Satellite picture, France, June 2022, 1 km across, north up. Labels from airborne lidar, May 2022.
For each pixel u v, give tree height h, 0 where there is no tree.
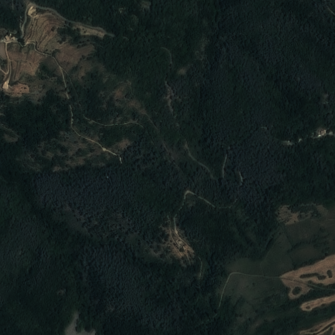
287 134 13
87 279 10
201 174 14
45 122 7
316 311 6
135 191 18
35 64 0
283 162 17
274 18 17
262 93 12
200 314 15
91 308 13
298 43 15
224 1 21
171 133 11
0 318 16
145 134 13
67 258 14
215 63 17
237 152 17
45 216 19
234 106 20
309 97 16
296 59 11
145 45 15
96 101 7
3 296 14
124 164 10
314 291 7
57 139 11
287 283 0
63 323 16
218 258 10
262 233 11
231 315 5
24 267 17
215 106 16
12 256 18
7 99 10
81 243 16
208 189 7
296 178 15
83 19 17
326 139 7
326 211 0
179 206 11
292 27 17
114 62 13
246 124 19
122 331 14
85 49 0
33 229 18
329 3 17
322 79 16
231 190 20
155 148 11
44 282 16
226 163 6
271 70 13
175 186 10
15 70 0
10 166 19
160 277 23
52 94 9
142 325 18
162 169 9
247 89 17
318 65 18
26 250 17
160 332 8
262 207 14
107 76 0
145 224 13
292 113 14
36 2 8
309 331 0
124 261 13
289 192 6
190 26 9
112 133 11
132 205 12
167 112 12
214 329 17
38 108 15
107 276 22
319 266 0
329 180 9
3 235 16
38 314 16
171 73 13
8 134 10
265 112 18
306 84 15
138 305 22
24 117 9
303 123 10
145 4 0
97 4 13
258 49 18
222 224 8
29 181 15
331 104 10
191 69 8
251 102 15
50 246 14
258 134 19
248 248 6
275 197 14
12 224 19
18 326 16
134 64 12
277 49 14
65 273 9
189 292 14
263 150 16
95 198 19
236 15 8
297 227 0
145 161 15
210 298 7
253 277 0
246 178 13
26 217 13
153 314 21
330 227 0
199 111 20
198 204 11
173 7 13
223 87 18
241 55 15
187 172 8
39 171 11
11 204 12
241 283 0
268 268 0
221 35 18
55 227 10
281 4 7
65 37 7
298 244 7
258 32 14
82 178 15
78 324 13
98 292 9
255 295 0
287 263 0
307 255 0
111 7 15
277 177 19
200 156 7
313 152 7
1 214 13
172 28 9
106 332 20
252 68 15
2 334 14
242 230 9
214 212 10
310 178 9
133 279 18
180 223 8
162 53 9
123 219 6
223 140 11
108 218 7
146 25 8
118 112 16
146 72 16
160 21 12
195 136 8
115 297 9
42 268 18
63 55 0
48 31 0
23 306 21
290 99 13
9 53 0
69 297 17
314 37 15
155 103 7
